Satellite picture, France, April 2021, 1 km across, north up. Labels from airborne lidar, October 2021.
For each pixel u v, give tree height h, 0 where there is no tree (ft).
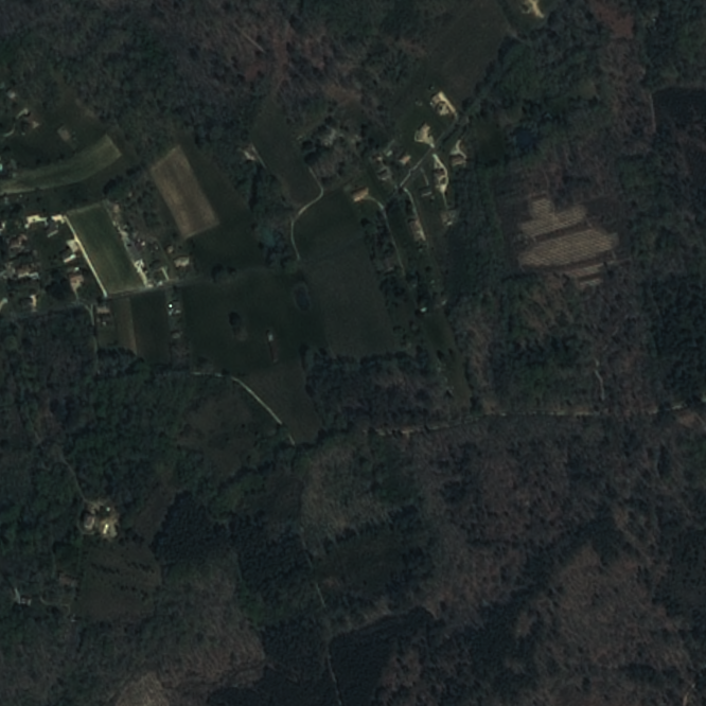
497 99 67
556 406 57
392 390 36
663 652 40
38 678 55
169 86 72
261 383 0
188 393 76
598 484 31
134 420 88
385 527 60
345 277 0
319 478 61
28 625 50
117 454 70
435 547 53
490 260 31
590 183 44
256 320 0
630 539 42
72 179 0
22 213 53
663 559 53
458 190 26
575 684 33
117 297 0
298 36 88
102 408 56
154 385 67
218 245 0
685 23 45
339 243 0
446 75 0
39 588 53
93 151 0
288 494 17
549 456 31
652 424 26
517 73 90
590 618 48
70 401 31
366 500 66
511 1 0
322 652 62
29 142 0
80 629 47
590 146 28
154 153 55
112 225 0
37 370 21
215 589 55
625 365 30
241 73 55
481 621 34
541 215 0
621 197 34
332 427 26
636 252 39
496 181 27
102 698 57
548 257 0
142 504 37
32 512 83
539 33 29
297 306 0
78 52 49
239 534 65
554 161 42
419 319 33
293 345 0
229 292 0
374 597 28
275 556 61
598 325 27
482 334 50
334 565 27
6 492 44
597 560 45
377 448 56
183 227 0
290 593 65
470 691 46
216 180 0
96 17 97
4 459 32
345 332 0
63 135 0
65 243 0
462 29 0
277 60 49
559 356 80
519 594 28
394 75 42
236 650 29
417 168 0
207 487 68
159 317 0
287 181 0
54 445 48
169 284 0
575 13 57
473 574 37
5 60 47
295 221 40
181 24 29
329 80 60
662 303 57
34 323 20
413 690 23
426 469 37
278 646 61
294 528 39
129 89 73
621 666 35
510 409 49
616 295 29
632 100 30
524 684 63
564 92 35
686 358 41
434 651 44
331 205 0
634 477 45
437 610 26
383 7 58
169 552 66
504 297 49
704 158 23
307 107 55
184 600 25
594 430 42
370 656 51
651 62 56
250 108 36
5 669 39
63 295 31
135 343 0
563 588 40
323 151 41
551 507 21
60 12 60
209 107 73
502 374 61
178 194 0
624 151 37
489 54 0
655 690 81
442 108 0
